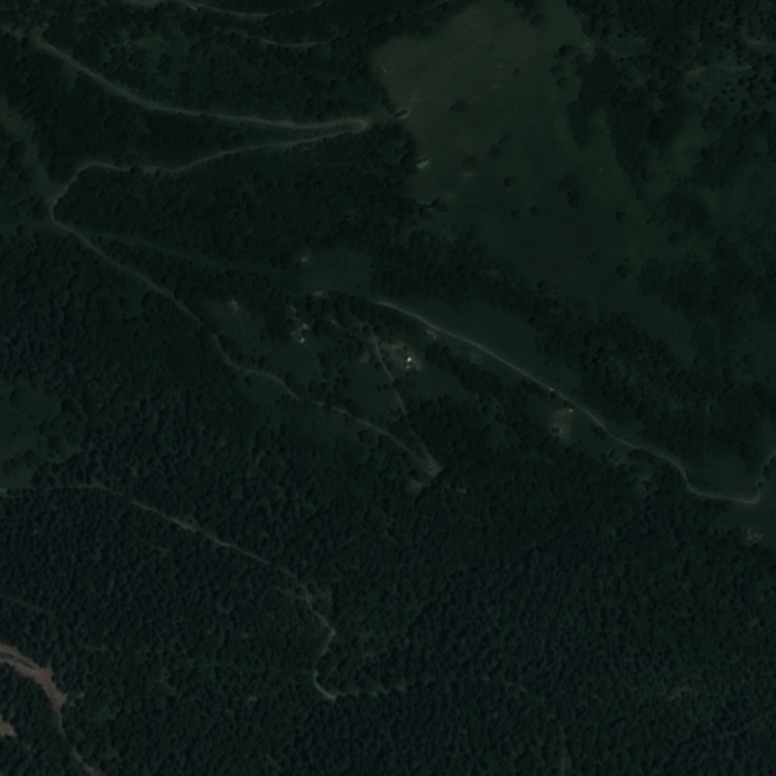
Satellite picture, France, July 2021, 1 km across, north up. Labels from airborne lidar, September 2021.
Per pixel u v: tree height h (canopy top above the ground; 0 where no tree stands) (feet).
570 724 79
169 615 54
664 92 57
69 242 68
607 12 62
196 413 83
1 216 0
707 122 29
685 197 26
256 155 32
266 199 29
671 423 62
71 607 72
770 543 0
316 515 28
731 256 60
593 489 48
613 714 81
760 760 88
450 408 68
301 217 30
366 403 0
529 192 0
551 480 41
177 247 26
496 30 0
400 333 28
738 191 0
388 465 27
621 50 0
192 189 25
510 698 76
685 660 44
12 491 43
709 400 56
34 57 36
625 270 54
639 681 75
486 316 0
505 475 66
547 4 0
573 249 0
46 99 42
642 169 20
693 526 28
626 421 29
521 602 73
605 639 30
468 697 67
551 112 0
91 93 51
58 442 61
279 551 71
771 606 33
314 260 0
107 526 63
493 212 0
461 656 90
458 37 0
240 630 79
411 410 42
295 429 33
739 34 47
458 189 0
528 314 28
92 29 36
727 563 50
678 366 24
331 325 63
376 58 0
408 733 72
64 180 65
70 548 62
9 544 56
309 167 20
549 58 0
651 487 52
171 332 80
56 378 43
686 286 27
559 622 76
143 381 89
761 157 26
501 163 0
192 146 37
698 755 118
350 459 32
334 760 61
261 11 52
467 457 75
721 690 25
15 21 26
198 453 105
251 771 42
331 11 62
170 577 41
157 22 36
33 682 52
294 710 34
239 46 52
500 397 63
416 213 63
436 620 99
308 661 61
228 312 0
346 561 92
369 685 121
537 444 73
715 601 46
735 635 55
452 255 31
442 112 0
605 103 31
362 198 25
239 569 75
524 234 0
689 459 34
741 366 21
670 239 25
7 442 0
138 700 53
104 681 47
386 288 35
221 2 42
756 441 26
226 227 33
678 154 0
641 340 68
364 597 82
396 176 45
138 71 32
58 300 91
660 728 122
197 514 65
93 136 32
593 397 37
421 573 106
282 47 36
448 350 54
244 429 83
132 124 40
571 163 0
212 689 73
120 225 30
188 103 33
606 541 64
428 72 0
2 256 22
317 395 52
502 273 24
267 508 79
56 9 30
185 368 66
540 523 87
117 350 81
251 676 60
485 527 38
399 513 68
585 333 30
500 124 0
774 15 34
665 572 75
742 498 0
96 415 77
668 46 63
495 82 0
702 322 25
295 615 38
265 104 19
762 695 75
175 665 82
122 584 61
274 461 111
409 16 24
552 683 79
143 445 57
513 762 101
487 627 71
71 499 63
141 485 49
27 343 94
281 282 29
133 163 42
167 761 82
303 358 0
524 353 0
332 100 31
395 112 27
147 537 73
